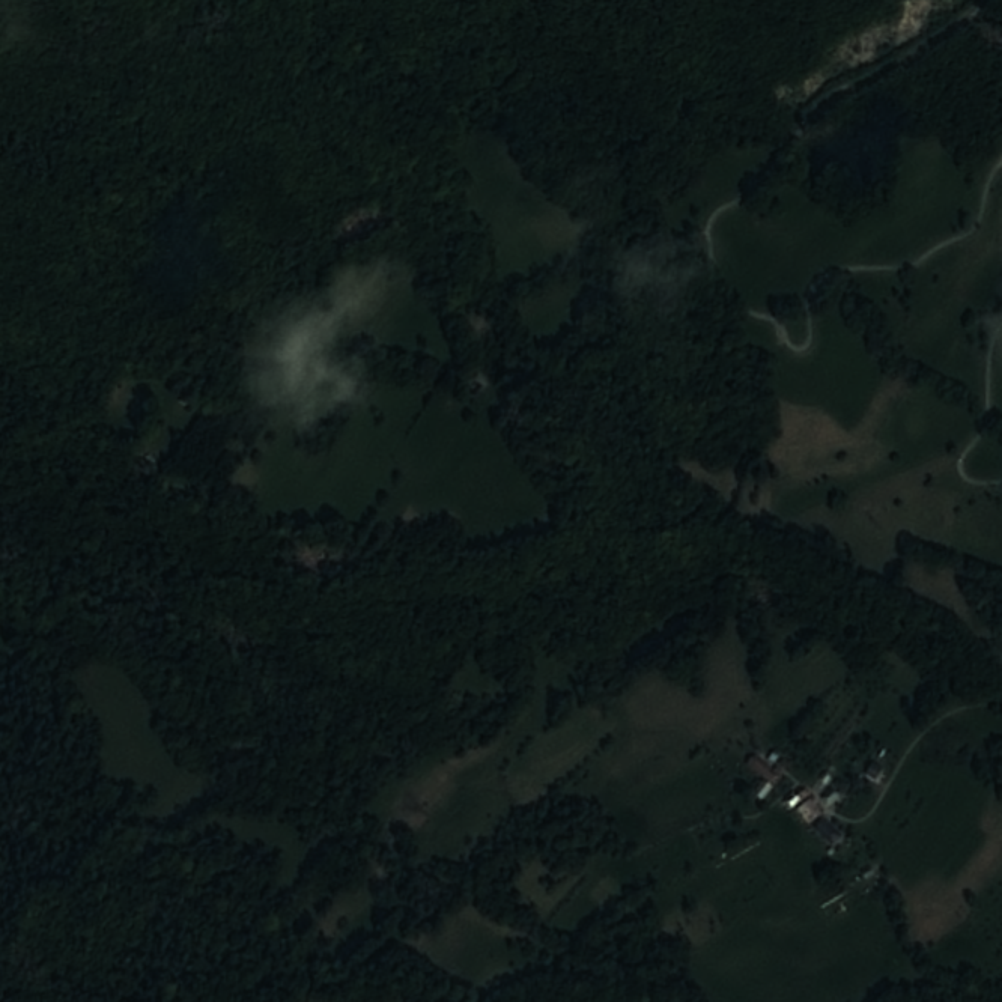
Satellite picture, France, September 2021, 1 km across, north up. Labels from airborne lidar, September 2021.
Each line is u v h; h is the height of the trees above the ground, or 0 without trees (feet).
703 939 0
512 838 40
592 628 85
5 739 116
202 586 106
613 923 68
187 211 77
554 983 85
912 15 0
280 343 59
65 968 60
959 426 0
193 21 32
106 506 54
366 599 88
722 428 103
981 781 48
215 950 92
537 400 57
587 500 89
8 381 80
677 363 80
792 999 0
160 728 73
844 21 58
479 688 0
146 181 71
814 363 0
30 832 95
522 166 74
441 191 100
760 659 73
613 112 55
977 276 0
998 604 48
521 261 0
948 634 79
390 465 0
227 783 56
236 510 79
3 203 48
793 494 0
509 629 96
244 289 88
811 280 0
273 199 39
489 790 0
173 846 56
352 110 66
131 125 81
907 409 0
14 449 83
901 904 54
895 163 78
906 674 0
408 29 62
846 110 64
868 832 0
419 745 62
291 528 51
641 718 0
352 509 0
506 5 64
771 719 0
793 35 54
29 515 83
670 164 98
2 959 71
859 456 0
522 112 112
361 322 0
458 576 89
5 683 31
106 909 74
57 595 95
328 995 44
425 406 25
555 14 79
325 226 77
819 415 0
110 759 0
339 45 100
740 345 97
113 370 86
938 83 70
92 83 52
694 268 84
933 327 0
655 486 89
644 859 0
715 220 0
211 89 48
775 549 74
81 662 40
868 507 0
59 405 88
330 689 73
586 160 109
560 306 0
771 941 0
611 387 53
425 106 103
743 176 0
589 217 79
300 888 52
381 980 108
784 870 0
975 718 0
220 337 45
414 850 51
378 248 85
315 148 70
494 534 0
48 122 52
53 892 83
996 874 0
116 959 76
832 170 103
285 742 57
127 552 27
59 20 56
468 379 31
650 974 86
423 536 71
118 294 80
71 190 73
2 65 57
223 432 40
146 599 39
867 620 95
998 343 0
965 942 0
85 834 87
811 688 0
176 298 82
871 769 0
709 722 0
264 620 94
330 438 57
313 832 68
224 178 71
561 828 63
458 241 84
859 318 75
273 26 97
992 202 0
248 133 59
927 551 71
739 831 41
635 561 89
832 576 74
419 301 44
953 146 86
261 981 59
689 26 75
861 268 0
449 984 52
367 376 67
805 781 0
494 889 58
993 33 87
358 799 61
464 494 0
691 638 94
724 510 38
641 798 0
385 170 77
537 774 0
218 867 86
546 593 107
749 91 69
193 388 52
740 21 43
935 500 0
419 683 93
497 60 97
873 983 0
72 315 52
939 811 0
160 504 75
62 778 59
